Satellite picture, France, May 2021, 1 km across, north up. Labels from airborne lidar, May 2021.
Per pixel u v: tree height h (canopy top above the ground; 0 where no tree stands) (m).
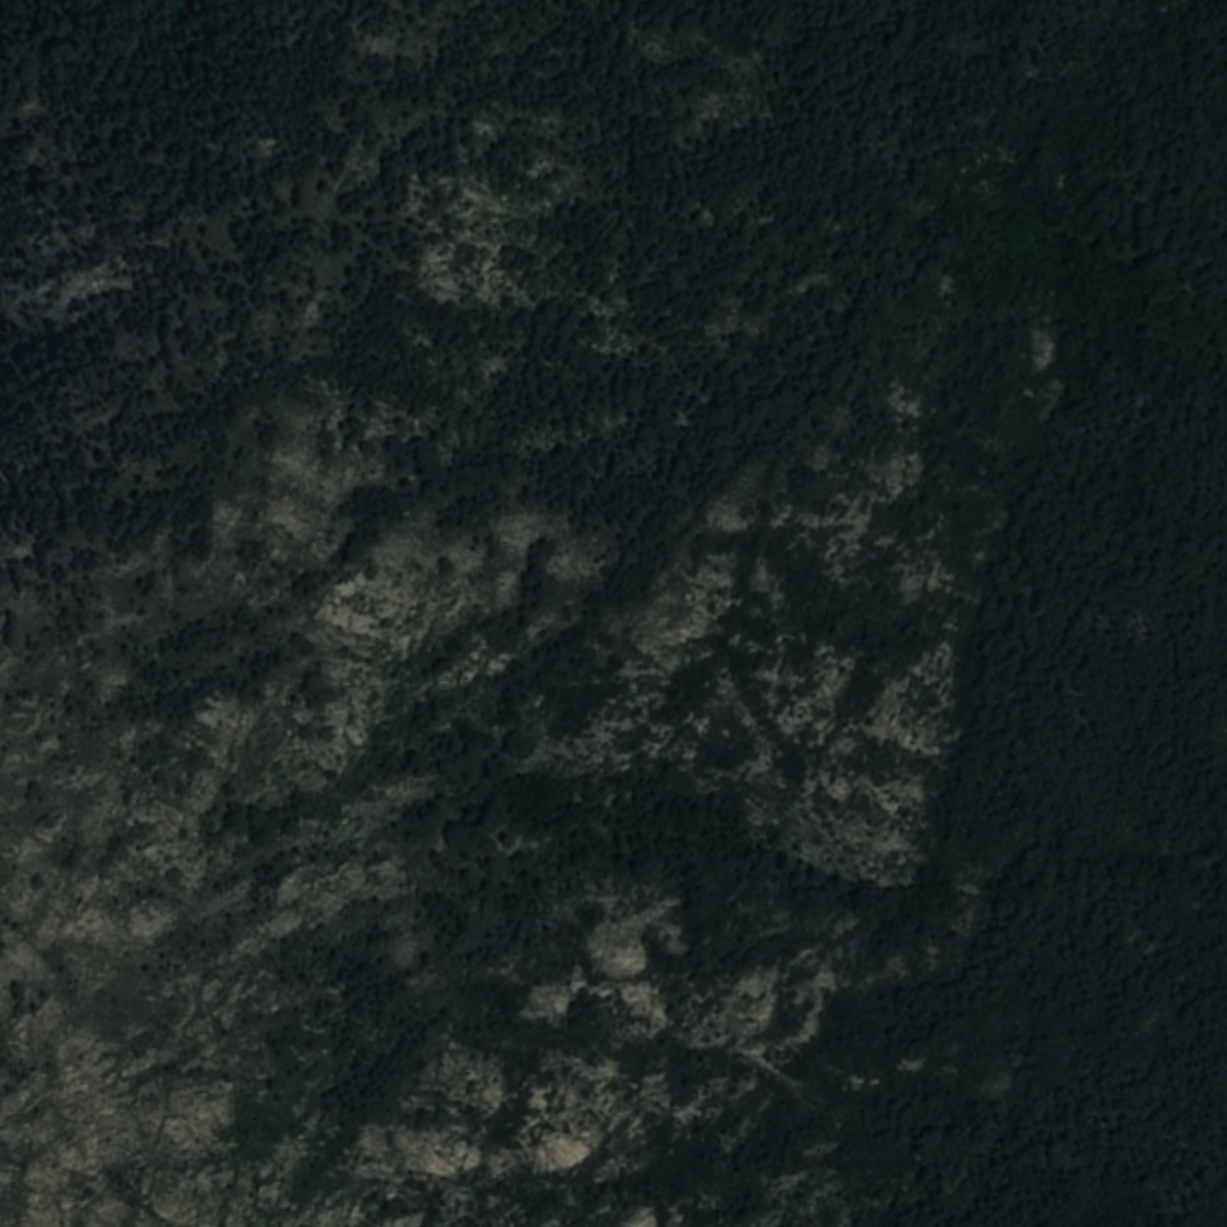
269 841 27
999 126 14
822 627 8
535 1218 8
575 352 24
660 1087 0
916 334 16
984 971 18
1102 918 14
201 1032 0
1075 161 8
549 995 0
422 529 0
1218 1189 18
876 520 7
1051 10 14
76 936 0
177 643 11
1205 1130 18
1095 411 19
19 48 27
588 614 12
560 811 20
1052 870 26
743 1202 10
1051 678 22
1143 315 23
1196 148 18
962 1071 7
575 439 16
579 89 16
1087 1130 14
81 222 16
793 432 11
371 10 15
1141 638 20
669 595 0
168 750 12
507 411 13
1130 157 10
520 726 7
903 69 23
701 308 14
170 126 15
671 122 14
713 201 21
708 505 10
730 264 15
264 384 17
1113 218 28
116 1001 7
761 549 13
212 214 15
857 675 5
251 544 7
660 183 14
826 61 25
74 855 7
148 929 0
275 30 13
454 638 6
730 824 23
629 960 0
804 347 23
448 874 10
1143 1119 12
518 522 0
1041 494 21
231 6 15
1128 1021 13
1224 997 16
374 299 13
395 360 15
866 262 11
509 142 17
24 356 16
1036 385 8
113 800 0
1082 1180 22
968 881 7
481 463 9
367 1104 11
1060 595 22
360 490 9
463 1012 8
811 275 15
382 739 10
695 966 8
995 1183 16
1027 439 6
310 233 10
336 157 14
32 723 0
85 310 15
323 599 0
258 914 7
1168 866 16
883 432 17
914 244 17
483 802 15
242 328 8
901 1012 13
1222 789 17
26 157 15
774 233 16
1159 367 7
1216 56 15
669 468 15
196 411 12
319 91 17
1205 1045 13
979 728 18
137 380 11
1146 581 22
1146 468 20
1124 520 10
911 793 0
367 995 8
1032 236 16
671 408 23
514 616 12
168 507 10
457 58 15
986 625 15
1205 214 8
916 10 16
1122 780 14
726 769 7
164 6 15
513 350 13
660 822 21
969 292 7
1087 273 30
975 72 14
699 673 6
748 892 5
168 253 13
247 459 9
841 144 15
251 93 13
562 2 17
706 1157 12
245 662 12
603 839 13
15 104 11
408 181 12
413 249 8
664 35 10
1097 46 14
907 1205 11
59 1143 0
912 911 26
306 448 0
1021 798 18
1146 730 19
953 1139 27
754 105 8
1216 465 23
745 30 15
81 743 0
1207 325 17
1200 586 7
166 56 17
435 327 15
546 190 11
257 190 16
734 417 22
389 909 13
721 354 12
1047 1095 6
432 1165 0
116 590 0
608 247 18
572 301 7
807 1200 8
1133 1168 16
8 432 9
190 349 13
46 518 12
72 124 12
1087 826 20
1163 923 12
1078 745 20
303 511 0
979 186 8
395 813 7
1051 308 13
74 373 10
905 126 13
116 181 14
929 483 9
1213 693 19
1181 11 11
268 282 17
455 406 18
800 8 16
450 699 10
